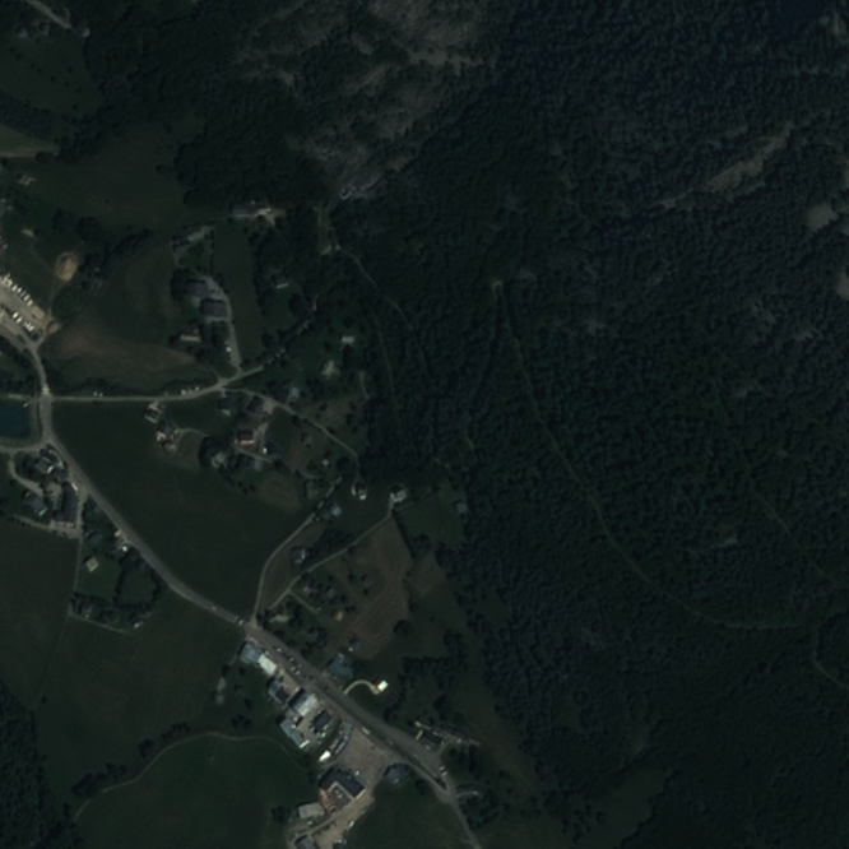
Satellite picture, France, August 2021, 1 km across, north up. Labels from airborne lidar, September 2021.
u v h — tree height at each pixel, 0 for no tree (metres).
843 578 17
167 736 8
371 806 0
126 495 0
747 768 16
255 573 0
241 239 0
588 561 21
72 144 10
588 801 10
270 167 27
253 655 0
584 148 15
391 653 0
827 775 12
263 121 19
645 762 13
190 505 0
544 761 23
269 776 0
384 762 0
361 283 20
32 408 0
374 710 0
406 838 0
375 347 10
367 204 13
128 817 0
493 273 8
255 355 0
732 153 11
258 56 11
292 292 0
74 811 14
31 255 0
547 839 0
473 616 14
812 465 14
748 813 13
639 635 22
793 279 22
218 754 0
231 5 13
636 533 20
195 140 7
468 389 18
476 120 23
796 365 18
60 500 0
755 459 19
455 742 0
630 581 19
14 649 0
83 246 0
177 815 0
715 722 15
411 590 0
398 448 19
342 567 0
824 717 12
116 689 0
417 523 0
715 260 25
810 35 17
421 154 16
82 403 0
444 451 8
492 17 9
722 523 21
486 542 23
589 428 20
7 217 0
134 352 0
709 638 17
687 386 17
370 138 16
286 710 0
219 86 17
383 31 8
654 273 15
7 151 0
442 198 12
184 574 0
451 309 24
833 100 7
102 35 17
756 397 16
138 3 17
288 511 0
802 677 12
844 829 19
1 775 12
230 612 0
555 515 21
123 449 0
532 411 16
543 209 17
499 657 24
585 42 23
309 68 18
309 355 0
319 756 0
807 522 17
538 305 17
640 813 0
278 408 0
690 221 20
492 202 18
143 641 0
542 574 21
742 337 21
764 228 25
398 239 16
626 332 15
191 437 0
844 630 13
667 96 7
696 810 15
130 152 0
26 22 16
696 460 11
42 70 8
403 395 9
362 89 11
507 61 21
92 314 0
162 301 0
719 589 20
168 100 21
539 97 19
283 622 0
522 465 20
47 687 0
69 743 0
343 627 0
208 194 19
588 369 6
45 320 0
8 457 0
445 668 20
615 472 19
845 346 20
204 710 0
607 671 19
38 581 0
